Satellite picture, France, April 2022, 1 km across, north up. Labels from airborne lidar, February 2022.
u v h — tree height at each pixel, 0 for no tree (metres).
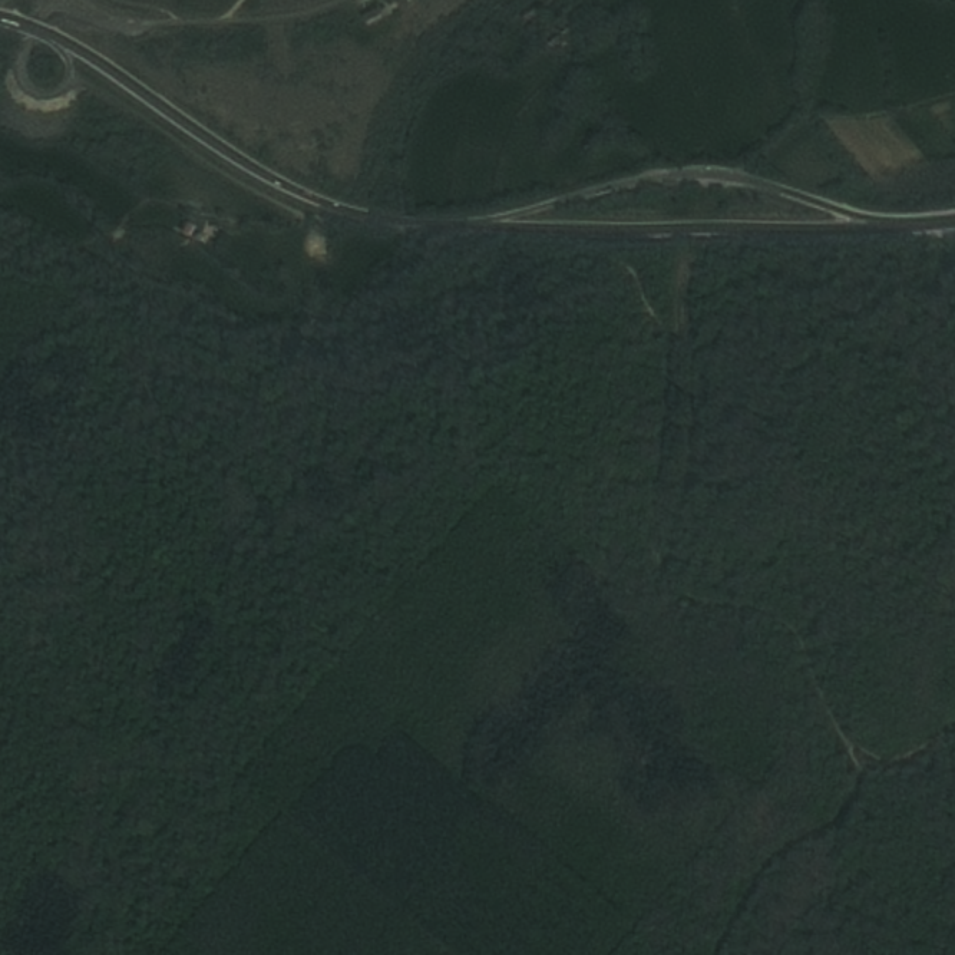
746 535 23
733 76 0
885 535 20
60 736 20
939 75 0
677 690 16
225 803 24
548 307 26
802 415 17
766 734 8
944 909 25
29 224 16
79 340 19
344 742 9
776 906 28
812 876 17
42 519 17
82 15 0
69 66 0
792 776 20
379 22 0
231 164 0
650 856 12
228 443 22
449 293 25
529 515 6
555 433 16
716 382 20
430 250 27
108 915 16
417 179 0
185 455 24
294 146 0
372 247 0
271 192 0
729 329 22
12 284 7
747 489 20
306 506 29
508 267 23
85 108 7
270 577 24
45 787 19
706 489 22
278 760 11
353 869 9
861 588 22
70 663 16
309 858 8
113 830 17
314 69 0
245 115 0
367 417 20
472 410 19
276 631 14
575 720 23
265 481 27
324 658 20
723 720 9
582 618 21
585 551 20
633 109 0
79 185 10
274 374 9
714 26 0
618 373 21
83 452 24
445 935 7
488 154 0
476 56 10
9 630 18
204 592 17
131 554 20
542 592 14
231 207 0
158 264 0
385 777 12
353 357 30
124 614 19
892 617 22
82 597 20
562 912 10
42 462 25
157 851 20
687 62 0
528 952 9
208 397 25
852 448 18
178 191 0
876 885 21
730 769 10
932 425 25
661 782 29
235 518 28
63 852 21
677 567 25
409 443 25
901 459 21
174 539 14
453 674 11
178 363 25
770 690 8
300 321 10
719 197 9
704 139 0
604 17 24
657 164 12
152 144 18
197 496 17
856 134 0
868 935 29
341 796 9
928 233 0
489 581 10
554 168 0
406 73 10
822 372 24
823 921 33
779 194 0
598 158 18
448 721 12
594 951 9
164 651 21
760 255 18
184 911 15
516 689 20
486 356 31
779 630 19
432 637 11
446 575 8
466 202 7
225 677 16
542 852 9
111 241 17
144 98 0
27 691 16
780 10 0
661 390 10
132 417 25
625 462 19
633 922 9
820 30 17
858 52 0
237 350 26
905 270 13
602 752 24
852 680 20
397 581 14
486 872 9
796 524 15
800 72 17
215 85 0
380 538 17
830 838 24
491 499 7
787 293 21
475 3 15
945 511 21
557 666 25
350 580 18
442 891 9
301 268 0
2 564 18
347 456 13
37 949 22
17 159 0
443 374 25
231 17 0
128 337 24
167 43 0
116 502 18
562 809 11
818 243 8
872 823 14
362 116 0
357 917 7
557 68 0
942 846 20
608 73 0
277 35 0
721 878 25
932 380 22
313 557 21
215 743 23
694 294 13
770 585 23
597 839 10
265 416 7
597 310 20
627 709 26
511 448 14
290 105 0
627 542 20
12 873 15
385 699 11
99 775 23
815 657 17
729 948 21
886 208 8
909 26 0
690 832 12
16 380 16
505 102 0
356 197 8
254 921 12
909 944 27
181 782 18
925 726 16
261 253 0
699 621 14
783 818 27
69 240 10
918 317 25
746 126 0
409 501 20
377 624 11
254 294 0
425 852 11
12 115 0
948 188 18
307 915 11
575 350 18
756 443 24
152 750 25
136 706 22
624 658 11
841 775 21
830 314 27
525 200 16
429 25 8
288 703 18
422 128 0
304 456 22
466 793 11
